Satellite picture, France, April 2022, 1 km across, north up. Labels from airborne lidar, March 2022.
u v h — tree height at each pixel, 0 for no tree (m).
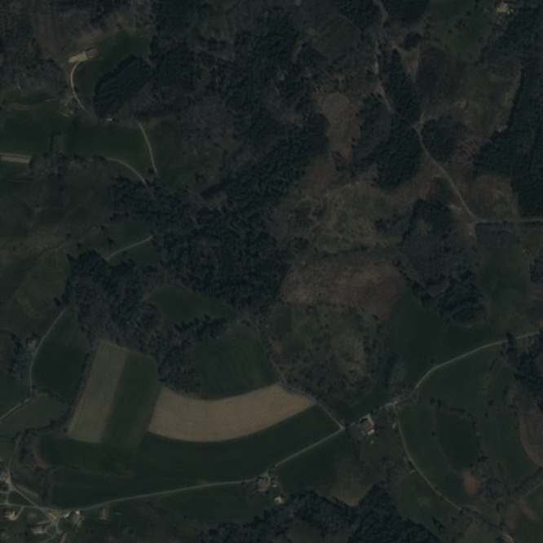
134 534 12
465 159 13
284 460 0
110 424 0
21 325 0
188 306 0
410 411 0
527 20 27
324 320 0
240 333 0
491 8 8
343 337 0
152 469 0
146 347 23
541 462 0
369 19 13
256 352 0
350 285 0
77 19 0
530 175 9
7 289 0
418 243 14
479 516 14
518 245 0
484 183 0
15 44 11
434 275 14
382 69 13
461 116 0
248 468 0
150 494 0
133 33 0
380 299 0
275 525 27
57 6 22
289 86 20
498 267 0
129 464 0
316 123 26
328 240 0
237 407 0
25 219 0
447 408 15
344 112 0
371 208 0
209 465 0
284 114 7
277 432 0
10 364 0
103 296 30
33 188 0
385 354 0
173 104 29
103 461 0
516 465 0
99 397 0
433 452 0
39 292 0
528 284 0
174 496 0
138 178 0
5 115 20
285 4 12
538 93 14
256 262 30
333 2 27
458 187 0
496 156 29
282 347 0
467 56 0
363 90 18
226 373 0
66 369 0
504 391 0
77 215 0
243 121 23
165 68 25
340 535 13
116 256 0
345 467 0
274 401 0
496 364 0
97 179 0
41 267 0
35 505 0
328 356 0
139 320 25
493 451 0
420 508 0
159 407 0
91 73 0
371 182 0
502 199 0
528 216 10
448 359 0
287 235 0
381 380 0
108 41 0
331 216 0
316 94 21
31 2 0
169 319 0
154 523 0
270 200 28
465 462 0
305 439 0
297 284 0
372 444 0
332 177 0
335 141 0
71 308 29
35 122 0
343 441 0
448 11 0
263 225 26
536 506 0
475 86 0
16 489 0
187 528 0
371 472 13
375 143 15
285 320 0
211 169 9
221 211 0
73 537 0
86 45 0
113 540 0
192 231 20
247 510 0
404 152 15
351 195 0
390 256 0
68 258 0
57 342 0
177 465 0
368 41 18
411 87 25
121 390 0
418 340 0
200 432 0
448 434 0
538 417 0
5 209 0
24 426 0
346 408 0
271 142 22
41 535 0
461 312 29
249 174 21
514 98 0
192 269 13
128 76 27
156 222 30
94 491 0
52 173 27
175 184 0
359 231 0
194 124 23
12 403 0
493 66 22
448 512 0
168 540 0
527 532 0
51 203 0
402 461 0
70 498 0
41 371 0
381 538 33
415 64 0
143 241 0
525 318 0
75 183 0
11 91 24
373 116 15
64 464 0
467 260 12
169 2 26
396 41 28
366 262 0
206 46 30
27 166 0
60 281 0
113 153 0
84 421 0
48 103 0
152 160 0
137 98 21
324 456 0
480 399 0
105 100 26
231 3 0
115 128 0
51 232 0
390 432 0
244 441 0
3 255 0
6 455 0
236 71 20
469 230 0
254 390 0
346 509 15
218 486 0
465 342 0
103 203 0
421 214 27
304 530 0
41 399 0
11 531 0
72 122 0
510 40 18
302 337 0
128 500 0
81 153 0
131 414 0
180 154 0
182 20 24
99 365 0
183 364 15
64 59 0
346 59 15
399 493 0
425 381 0
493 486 22
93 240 0
